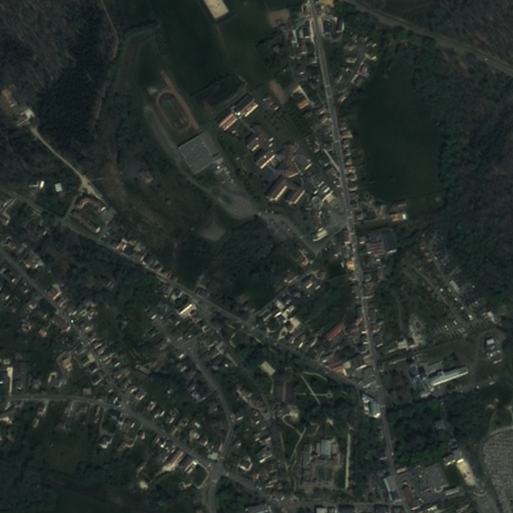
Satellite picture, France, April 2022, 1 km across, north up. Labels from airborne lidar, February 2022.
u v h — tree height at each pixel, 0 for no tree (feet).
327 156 24
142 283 106
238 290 0
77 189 30
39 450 50
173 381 61
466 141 104
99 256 90
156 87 0
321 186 0
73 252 30
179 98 0
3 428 45
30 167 91
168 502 64
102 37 84
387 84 0
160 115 0
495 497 0
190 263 0
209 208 29
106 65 100
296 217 0
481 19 95
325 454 0
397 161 0
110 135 0
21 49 85
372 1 80
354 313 0
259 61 0
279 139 0
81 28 88
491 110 60
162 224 0
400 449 61
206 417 35
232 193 0
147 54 0
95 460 0
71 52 80
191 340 0
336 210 0
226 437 42
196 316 0
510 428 0
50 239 53
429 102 54
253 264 28
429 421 40
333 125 0
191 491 27
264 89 0
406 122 0
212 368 52
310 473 0
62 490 0
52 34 72
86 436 0
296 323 0
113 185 0
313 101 18
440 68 84
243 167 0
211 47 0
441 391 0
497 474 0
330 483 0
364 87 0
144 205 0
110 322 0
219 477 0
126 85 0
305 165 0
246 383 0
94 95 96
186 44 0
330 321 0
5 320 0
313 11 0
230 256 24
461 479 0
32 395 47
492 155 79
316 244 0
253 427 0
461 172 85
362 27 63
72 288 53
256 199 27
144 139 46
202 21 0
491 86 91
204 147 0
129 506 0
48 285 0
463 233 53
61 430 0
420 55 81
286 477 90
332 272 0
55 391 26
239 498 53
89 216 0
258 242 22
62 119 85
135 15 0
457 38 85
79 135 87
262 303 0
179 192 0
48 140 43
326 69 0
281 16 0
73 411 0
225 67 0
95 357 0
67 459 0
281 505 0
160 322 0
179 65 0
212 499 0
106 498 0
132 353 0
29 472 72
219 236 0
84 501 0
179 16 0
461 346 0
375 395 0
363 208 0
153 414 21
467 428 40
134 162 0
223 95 0
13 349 0
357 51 0
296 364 72
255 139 0
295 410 18
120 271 43
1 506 68
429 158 0
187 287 0
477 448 0
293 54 0
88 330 0
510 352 83
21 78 67
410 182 0
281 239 0
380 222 0
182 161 0
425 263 49
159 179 0
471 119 97
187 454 0
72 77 87
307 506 0
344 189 0
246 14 0
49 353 21
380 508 0
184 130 0
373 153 0
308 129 0
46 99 80
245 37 0
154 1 0
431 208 0
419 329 0
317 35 0
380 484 72
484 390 0
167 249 0
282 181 0
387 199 0
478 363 0
